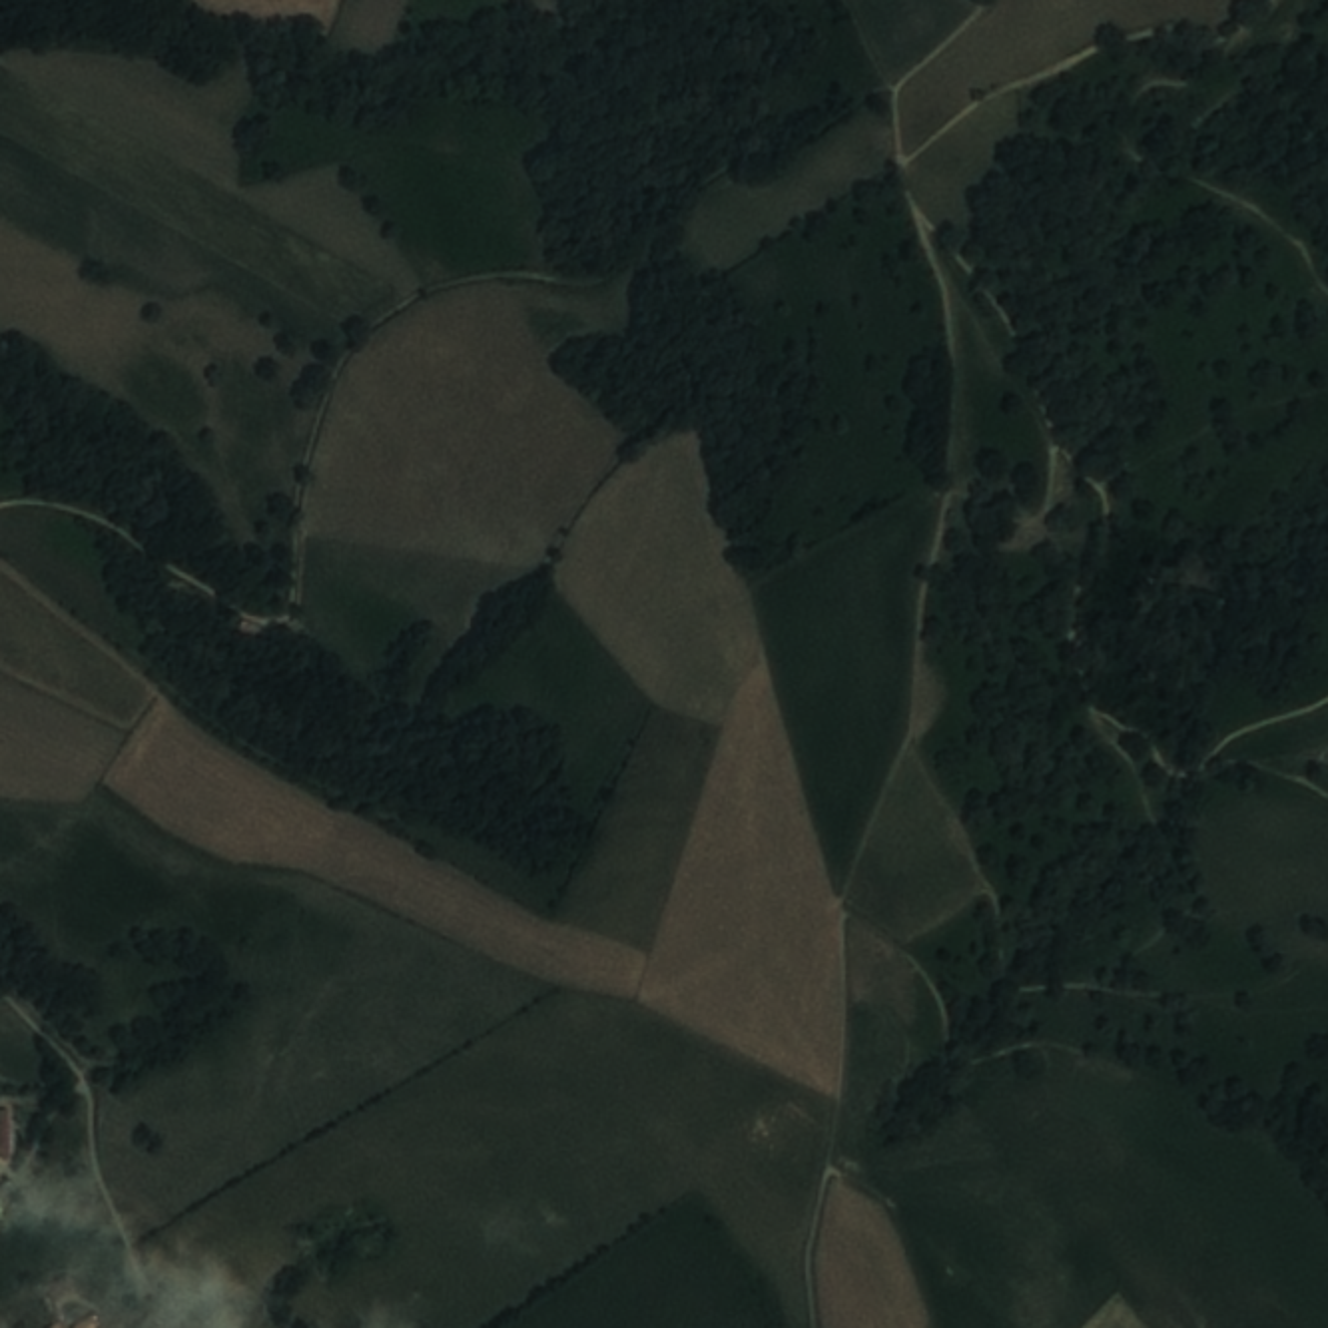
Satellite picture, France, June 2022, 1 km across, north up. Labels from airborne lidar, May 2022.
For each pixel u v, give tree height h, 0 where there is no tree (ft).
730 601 0
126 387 0
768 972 0
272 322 41
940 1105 43
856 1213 0
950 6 0
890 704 0
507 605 55
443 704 34
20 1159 27
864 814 0
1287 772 0
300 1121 0
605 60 80
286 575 69
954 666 0
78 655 0
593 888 0
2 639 0
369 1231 35
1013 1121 0
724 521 38
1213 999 0
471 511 0
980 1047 43
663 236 67
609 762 0
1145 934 0
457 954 0
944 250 34
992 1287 0
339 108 47
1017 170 68
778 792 0
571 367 53
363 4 0
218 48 45
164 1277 0
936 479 54
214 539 54
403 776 62
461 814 34
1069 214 63
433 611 0
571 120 86
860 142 0
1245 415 0
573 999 0
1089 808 50
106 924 0
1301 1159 32
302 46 81
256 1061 0
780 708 0
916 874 0
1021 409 63
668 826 0
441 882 0
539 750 37
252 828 0
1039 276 44
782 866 0
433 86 59
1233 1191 0
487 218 0
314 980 0
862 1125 0
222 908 0
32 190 0
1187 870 52
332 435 0
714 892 0
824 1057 0
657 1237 0
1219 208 24
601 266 68
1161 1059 49
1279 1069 0
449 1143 0
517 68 78
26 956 49
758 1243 0
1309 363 0
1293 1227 0
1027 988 27
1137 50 32
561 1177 0
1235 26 36
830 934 0
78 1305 0
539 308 0
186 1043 31
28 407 58
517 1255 0
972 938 0
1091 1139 0
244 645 53
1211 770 29
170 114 0
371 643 0
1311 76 61
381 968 0
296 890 0
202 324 0
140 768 0
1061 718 71
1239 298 0
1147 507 48
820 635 0
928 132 0
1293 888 0
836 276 0
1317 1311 0
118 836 0
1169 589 88
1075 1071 0
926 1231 0
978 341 0
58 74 0
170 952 57
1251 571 64
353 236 0
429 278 0
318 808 0
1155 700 24
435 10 0
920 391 59
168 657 37
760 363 59
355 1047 0
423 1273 0
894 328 0
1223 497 0
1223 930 0
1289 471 0
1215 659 35
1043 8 0
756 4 27
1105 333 36
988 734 45
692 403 57
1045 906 51
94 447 54
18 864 0
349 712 59
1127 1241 0
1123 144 64
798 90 0
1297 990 0
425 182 0
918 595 0
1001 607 38
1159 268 56
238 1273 0
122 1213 0
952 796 0
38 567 0
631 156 54
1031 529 0
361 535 0
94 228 0
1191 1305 0
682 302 64
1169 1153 0
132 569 34
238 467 0
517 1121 0
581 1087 0
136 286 0
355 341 51
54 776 0
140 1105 0
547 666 0
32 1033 0
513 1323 37
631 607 0
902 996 0
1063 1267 0
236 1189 29
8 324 0
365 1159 0
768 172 74
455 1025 0
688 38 80
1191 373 0
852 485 0
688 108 47
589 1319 0
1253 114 59
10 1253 0
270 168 31
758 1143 0
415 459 0
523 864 41
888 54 0
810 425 46
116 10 68
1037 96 43
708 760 0
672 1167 0
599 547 0
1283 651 59
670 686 0
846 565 0
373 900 0
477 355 0
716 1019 0
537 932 0
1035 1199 0
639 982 0
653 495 0
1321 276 0
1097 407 62
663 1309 0
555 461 0
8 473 21
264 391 0
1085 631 38
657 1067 0
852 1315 0
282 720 40
